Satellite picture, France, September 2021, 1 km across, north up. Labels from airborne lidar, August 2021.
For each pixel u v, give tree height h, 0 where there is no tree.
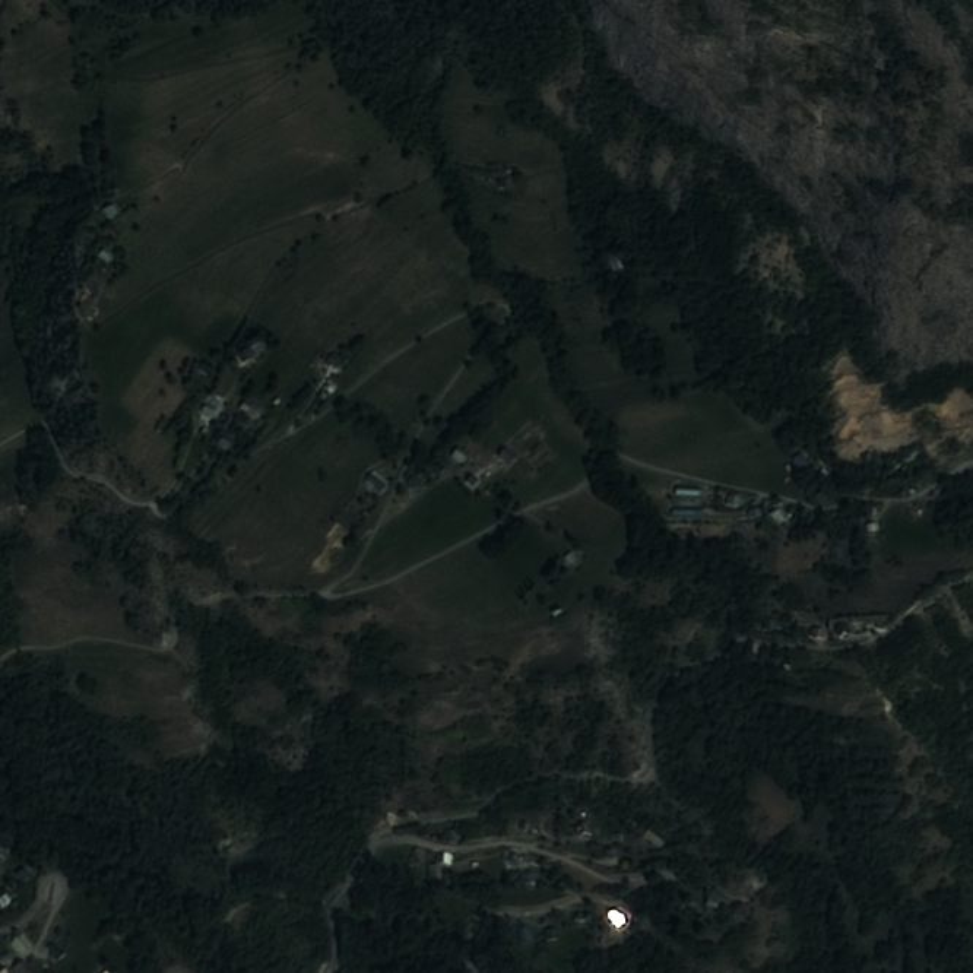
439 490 0
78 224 10
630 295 19
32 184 16
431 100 12
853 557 9
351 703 11
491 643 0
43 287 12
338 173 0
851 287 10
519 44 7
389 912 21
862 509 11
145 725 7
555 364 20
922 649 9
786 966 6
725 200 6
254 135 0
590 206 9
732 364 14
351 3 16
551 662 0
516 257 0
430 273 0
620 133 8
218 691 14
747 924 9
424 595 0
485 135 0
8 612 13
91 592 0
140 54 0
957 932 23
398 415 0
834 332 16
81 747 16
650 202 12
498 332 11
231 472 8
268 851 9
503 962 18
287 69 6
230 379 0
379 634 13
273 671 14
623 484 26
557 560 8
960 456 0
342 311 0
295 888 9
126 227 0
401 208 0
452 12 7
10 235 13
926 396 10
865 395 0
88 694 13
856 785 11
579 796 10
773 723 19
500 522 9
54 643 0
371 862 17
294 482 0
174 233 0
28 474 13
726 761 19
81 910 0
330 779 11
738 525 0
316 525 0
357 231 0
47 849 18
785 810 0
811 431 13
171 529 7
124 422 0
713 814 10
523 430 0
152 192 0
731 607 21
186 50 0
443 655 0
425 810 9
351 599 0
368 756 11
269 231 0
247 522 0
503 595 0
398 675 11
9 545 6
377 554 0
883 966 14
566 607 0
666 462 0
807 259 11
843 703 0
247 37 0
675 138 9
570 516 0
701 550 15
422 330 0
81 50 0
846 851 22
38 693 15
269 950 9
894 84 10
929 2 8
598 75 12
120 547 8
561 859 0
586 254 7
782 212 11
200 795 11
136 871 7
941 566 0
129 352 0
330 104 0
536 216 0
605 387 0
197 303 0
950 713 8
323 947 10
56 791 12
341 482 0
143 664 0
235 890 12
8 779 16
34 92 0
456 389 0
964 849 11
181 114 0
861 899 10
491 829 8
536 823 0
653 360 19
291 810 20
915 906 9
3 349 0
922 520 0
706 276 18
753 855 15
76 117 0
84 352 0
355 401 0
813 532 11
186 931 11
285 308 0
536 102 6
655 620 12
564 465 0
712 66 0
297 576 0
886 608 0
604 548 0
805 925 16
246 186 0
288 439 0
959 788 10
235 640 17
